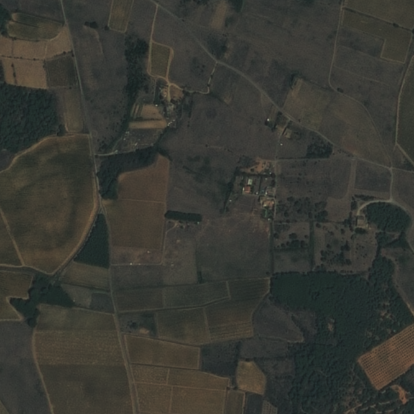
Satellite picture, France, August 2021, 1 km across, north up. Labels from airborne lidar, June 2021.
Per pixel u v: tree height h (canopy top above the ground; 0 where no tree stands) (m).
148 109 0
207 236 0
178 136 0
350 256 0
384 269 9
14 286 0
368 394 7
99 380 0
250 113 0
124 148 0
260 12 0
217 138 0
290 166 0
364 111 0
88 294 0
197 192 0
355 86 0
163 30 0
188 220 8
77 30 0
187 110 5
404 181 0
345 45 0
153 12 0
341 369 6
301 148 0
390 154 0
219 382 0
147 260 0
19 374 0
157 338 0
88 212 0
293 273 13
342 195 0
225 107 0
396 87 0
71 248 0
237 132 0
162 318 0
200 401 0
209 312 0
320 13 0
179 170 0
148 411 0
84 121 0
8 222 0
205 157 0
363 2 0
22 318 0
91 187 0
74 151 0
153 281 0
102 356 0
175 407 0
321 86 0
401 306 10
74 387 0
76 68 0
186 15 0
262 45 0
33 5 0
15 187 0
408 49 0
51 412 0
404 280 0
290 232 0
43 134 8
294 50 0
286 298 12
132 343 0
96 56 0
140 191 0
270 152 0
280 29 0
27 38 0
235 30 0
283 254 0
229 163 0
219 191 0
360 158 0
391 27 0
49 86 0
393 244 11
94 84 0
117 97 0
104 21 0
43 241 0
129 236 0
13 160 0
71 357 0
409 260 0
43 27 0
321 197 0
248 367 0
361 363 0
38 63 0
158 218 0
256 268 0
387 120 0
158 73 0
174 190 0
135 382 0
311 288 13
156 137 0
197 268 0
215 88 0
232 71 0
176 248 0
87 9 0
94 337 0
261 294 0
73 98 0
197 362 0
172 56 0
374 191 0
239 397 0
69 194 0
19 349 0
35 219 0
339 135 0
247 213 0
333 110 0
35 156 0
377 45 0
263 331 0
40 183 0
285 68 0
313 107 0
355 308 7
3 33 7
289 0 0
